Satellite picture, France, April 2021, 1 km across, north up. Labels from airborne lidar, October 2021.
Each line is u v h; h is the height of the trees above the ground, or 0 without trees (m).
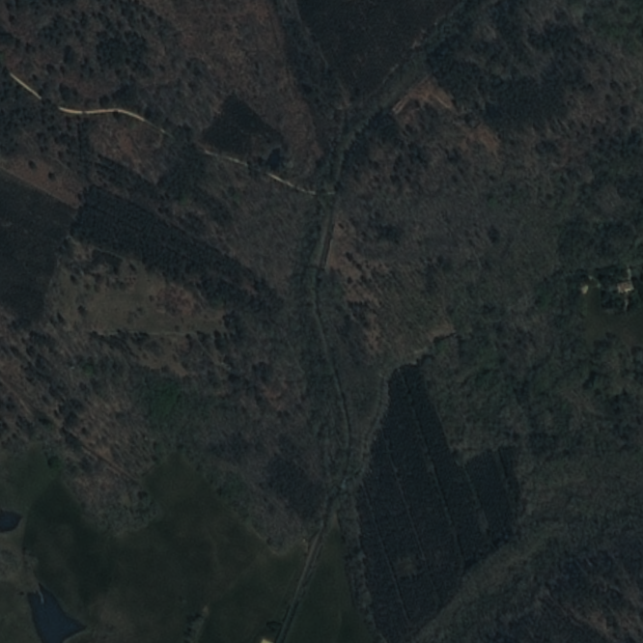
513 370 17
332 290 20
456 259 0
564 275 17
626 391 18
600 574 29
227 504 15
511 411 9
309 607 0
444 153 0
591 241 20
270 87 8
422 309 19
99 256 6
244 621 0
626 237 24
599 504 21
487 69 12
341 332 16
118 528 18
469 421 9
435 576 14
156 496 0
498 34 20
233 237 18
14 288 8
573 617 15
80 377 15
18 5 16
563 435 6
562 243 20
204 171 22
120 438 16
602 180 22
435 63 29
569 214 19
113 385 23
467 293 18
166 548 0
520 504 11
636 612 23
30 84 7
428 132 0
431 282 17
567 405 20
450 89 25
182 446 13
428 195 0
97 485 13
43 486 0
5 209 7
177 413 20
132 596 0
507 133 24
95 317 0
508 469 15
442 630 13
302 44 21
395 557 13
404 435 13
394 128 23
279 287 17
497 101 27
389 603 13
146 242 22
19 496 0
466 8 13
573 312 23
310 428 16
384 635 14
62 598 0
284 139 7
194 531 0
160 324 0
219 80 11
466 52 27
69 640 0
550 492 15
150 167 11
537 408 12
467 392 14
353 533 21
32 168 15
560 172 8
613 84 11
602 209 17
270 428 18
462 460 15
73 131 17
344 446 21
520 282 19
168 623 0
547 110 24
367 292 17
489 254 0
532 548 25
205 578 0
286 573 0
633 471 21
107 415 18
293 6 15
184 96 14
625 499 19
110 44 15
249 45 13
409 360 16
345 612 0
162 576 0
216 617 0
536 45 22
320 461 17
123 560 0
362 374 19
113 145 12
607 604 27
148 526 13
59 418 16
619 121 9
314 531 11
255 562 0
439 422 14
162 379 22
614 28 17
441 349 23
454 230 0
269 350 22
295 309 19
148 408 21
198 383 16
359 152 18
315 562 0
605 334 0
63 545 0
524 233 0
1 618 0
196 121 16
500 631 13
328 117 14
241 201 18
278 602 0
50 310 14
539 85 14
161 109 18
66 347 17
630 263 7
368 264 0
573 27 15
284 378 18
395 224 0
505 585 7
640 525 18
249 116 8
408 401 13
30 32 8
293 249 21
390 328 20
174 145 20
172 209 13
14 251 6
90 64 16
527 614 14
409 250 0
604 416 20
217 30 8
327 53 8
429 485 13
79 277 12
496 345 16
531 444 18
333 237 0
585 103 9
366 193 10
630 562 13
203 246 18
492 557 19
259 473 17
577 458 19
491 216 0
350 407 20
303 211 19
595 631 16
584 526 24
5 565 14
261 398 15
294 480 19
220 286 9
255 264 19
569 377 18
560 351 22
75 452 22
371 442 11
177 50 16
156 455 14
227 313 14
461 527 12
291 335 18
